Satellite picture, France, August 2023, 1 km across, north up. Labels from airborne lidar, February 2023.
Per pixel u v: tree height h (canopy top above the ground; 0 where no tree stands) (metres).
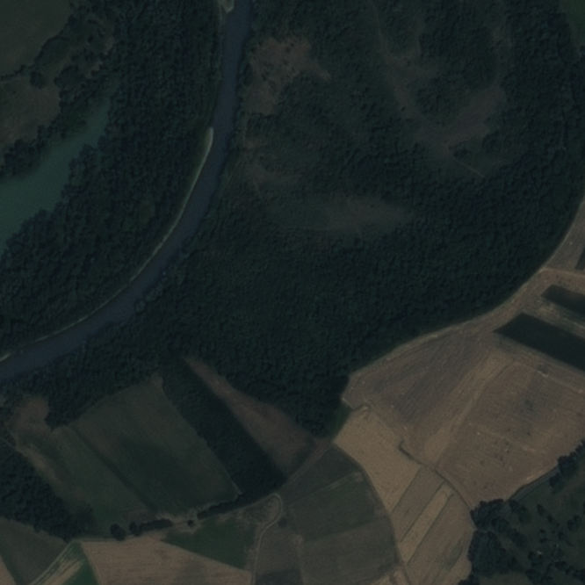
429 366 0
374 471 0
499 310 0
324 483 0
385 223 0
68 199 21
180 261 21
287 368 18
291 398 24
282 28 25
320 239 9
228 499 0
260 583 0
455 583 0
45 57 15
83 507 0
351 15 10
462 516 0
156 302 13
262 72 0
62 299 18
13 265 16
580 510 0
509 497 0
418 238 17
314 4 14
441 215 16
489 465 0
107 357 14
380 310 21
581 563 0
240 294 11
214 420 7
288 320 11
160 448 0
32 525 28
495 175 7
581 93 27
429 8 8
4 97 0
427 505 0
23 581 0
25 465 8
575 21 0
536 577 21
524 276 6
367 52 7
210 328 17
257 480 6
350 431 0
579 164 11
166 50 14
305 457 0
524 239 18
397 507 0
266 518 0
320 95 9
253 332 13
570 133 26
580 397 0
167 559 0
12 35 0
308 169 9
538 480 0
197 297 16
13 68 0
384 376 0
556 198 31
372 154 5
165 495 0
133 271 25
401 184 6
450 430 0
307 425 18
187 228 0
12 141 0
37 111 0
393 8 20
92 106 17
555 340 0
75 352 6
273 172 7
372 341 28
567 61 28
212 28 11
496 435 0
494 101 0
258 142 0
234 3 0
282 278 12
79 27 29
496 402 0
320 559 0
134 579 0
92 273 30
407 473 0
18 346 17
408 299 24
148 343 17
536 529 0
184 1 23
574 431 0
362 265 18
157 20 25
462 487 0
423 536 0
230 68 0
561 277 0
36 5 0
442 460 0
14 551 0
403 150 12
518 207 20
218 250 12
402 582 0
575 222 0
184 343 22
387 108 7
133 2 21
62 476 0
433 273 17
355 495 0
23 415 0
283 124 9
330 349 14
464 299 25
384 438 0
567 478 25
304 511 0
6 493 22
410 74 0
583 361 0
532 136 7
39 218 8
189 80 17
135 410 0
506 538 29
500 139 21
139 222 8
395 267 22
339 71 6
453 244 11
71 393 23
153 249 19
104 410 0
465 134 0
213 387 0
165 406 0
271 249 11
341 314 16
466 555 0
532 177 24
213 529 0
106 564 0
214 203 11
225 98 0
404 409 0
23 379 8
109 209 8
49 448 0
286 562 0
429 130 0
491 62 11
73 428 0
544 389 0
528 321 0
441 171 11
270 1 32
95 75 14
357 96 6
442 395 0
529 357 0
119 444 0
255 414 0
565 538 11
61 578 0
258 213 12
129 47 14
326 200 6
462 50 12
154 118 24
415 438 0
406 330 28
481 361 0
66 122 14
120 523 0
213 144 0
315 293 10
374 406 0
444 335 0
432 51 13
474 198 18
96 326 0
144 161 26
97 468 0
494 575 36
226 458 7
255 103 0
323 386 22
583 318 0
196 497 0
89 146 0
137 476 0
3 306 22
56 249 16
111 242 12
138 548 0
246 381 24
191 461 0
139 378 16
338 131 11
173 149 20
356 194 11
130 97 14
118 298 0
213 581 0
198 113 19
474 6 6
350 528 0
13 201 0
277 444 0
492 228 25
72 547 0
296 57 0
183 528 0
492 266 13
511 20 13
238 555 0
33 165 18
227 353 18
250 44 21
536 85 20
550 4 19
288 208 5
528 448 0
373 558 0
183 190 19
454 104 7
